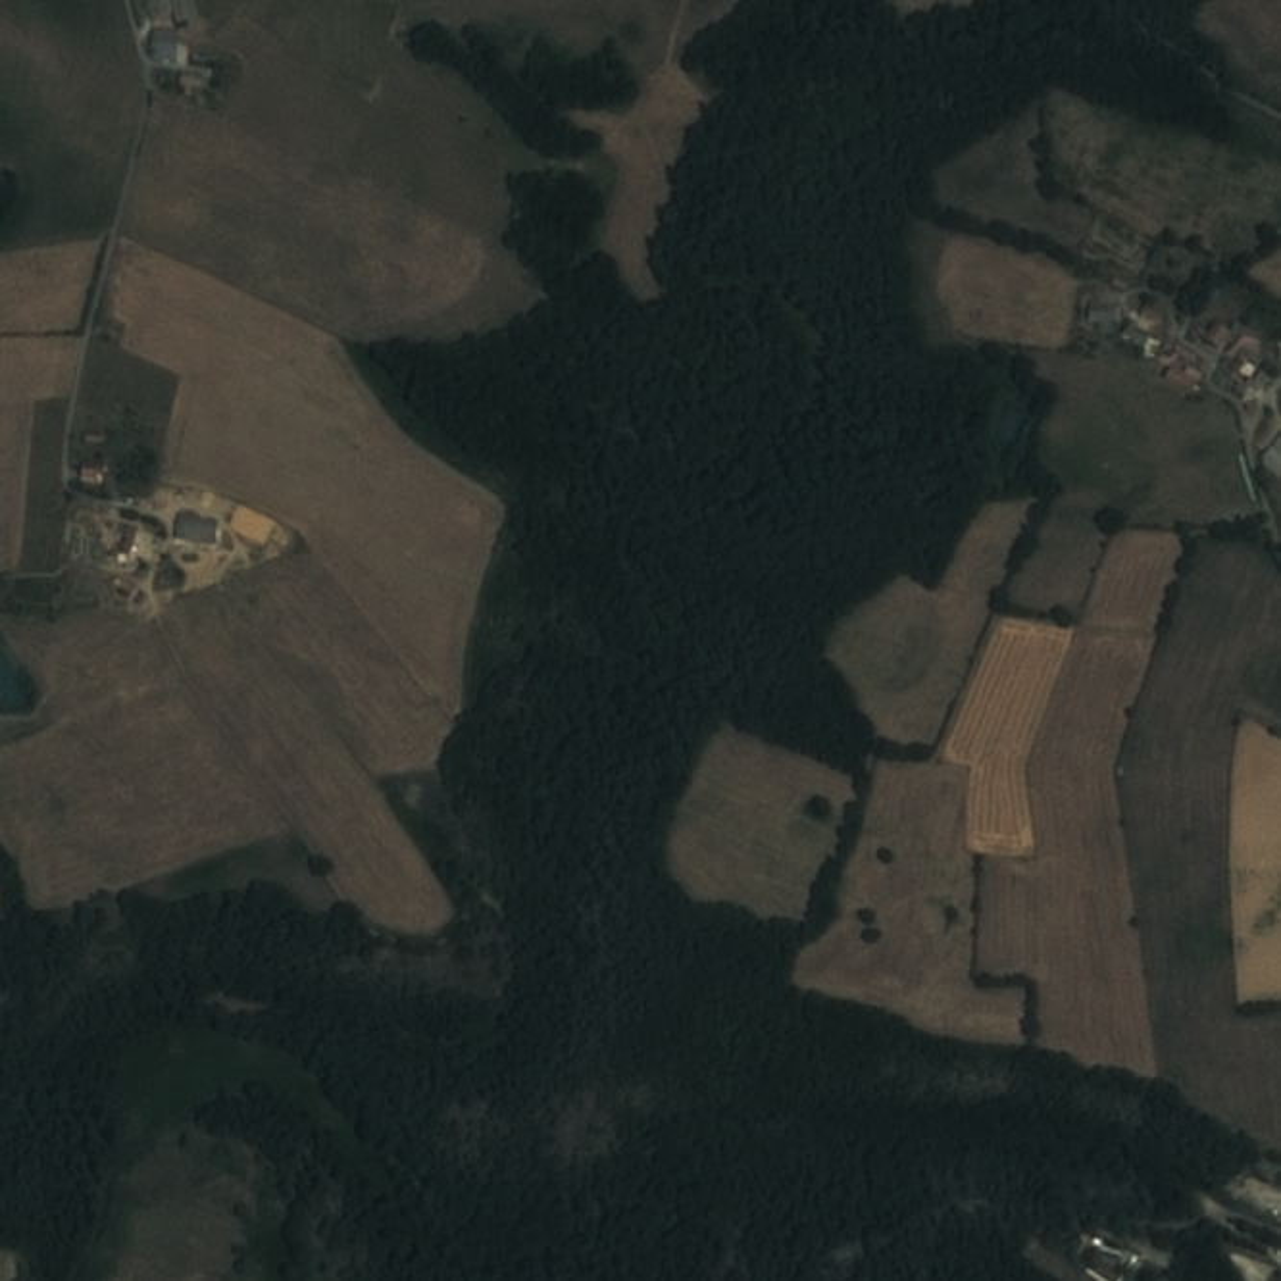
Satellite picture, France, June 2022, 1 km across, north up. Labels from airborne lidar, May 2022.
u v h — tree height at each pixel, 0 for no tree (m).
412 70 0
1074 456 0
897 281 19
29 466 0
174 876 0
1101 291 0
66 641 0
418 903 0
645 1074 10
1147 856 0
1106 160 0
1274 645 0
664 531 17
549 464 15
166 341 0
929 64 18
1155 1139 12
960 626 0
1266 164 0
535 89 7
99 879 0
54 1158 16
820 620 17
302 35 0
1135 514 0
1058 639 0
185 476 0
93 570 0
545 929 19
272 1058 0
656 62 0
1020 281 0
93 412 0
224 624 0
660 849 7
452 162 0
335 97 0
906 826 0
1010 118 16
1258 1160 10
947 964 0
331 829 0
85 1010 11
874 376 17
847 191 18
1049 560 0
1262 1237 13
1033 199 0
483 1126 8
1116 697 0
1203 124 23
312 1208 8
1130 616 0
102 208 0
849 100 15
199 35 0
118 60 0
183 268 0
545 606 8
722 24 8
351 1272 8
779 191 18
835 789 0
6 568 0
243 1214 10
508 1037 19
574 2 0
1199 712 0
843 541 17
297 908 12
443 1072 21
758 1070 12
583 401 24
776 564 14
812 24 26
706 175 19
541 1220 27
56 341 0
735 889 0
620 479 18
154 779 0
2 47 0
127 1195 0
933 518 13
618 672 20
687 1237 17
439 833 11
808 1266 14
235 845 0
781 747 18
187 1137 11
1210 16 0
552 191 13
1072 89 13
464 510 0
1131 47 22
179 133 0
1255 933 0
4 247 0
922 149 19
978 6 12
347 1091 25
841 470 21
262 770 0
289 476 0
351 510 0
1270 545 10
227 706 0
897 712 0
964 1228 14
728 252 24
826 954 0
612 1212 23
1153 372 0
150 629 0
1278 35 0
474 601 0
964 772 0
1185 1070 0
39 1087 17
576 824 20
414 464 0
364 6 0
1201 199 0
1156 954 0
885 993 0
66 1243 18
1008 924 0
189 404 0
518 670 11
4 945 9
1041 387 19
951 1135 19
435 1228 25
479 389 14
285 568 0
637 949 8
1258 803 0
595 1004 10
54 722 0
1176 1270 8
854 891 0
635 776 13
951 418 25
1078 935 0
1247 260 13
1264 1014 9
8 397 0
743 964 14
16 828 0
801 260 17
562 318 18
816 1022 17
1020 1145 20
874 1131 21
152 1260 0
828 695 16
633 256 0
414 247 0
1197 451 0
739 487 25
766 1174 17
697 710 14
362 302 0
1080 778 0
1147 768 0
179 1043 0
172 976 21
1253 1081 0
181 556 0
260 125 0
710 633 14
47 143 0
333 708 0
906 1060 8
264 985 16
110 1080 19
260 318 0
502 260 0
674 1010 11
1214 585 0
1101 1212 9
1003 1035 0
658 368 19
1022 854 0
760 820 0
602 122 0
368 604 0
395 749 0
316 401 0
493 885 8
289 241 0
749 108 10
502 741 8
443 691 0
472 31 13
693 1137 20
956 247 0
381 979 9
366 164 0
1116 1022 0
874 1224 8
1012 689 0
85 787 0
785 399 25
